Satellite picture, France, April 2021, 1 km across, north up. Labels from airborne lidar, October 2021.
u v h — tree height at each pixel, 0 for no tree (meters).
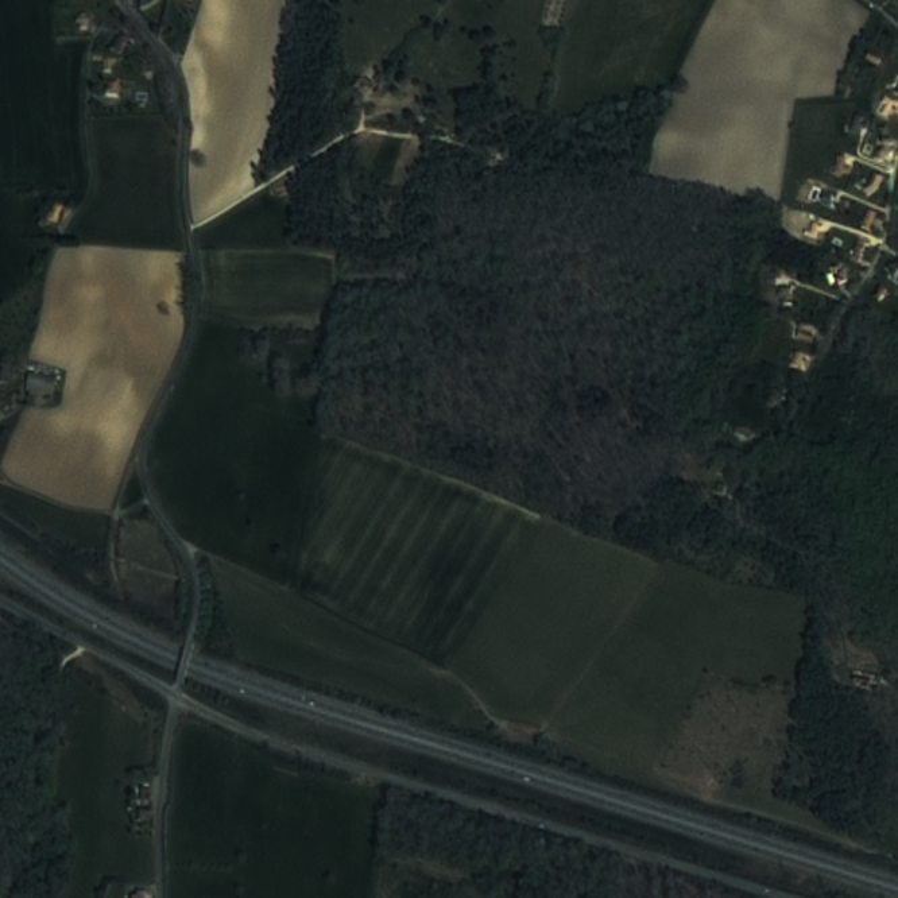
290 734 0
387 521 0
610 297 19
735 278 16
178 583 9
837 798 21
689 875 8
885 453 16
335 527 0
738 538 7
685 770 0
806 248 9
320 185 15
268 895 0
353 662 0
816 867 0
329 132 16
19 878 22
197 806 0
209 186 0
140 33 17
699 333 18
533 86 0
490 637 0
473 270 20
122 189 0
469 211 16
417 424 18
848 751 19
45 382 0
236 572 0
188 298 16
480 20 0
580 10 0
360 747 0
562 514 16
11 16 0
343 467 0
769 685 14
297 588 0
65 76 0
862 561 21
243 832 0
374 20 0
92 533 0
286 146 12
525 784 0
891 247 11
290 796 0
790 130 8
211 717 0
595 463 14
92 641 0
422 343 17
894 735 15
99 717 0
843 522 21
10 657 17
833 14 0
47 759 26
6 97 0
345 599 0
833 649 14
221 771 0
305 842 0
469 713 0
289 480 0
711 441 20
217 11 0
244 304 0
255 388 0
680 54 0
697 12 0
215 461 0
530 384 14
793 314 15
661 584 0
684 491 20
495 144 12
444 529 0
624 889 13
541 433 14
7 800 28
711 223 20
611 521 14
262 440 0
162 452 0
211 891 0
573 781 0
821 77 0
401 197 7
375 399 18
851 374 6
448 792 0
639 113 14
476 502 0
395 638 0
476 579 0
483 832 19
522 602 0
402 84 16
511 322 20
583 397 12
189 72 0
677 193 17
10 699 26
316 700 0
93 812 0
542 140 14
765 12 0
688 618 0
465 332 19
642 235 22
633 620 0
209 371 0
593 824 8
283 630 0
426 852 20
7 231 0
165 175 0
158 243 0
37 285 0
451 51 0
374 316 17
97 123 0
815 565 18
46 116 0
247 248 0
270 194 0
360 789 0
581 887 19
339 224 16
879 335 22
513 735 0
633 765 0
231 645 10
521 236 18
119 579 0
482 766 0
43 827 28
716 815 9
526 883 17
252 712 0
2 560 0
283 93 10
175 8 0
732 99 0
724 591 0
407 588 0
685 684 0
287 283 0
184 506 0
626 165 15
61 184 0
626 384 17
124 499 0
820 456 19
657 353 19
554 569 0
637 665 0
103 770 0
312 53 11
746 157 0
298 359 0
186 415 0
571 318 15
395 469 0
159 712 5
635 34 0
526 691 0
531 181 21
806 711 17
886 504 22
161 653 0
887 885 0
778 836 9
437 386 18
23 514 0
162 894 0
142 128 0
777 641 0
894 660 15
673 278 18
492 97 18
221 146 0
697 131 0
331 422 20
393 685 0
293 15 17
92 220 0
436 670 0
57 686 21
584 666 0
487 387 14
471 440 11
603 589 0
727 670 0
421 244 9
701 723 0
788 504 21
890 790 16
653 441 19
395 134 0
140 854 0
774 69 0
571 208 21
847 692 12
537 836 14
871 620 20
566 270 23
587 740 0
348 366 23
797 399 13
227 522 0
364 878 0
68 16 0
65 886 23
